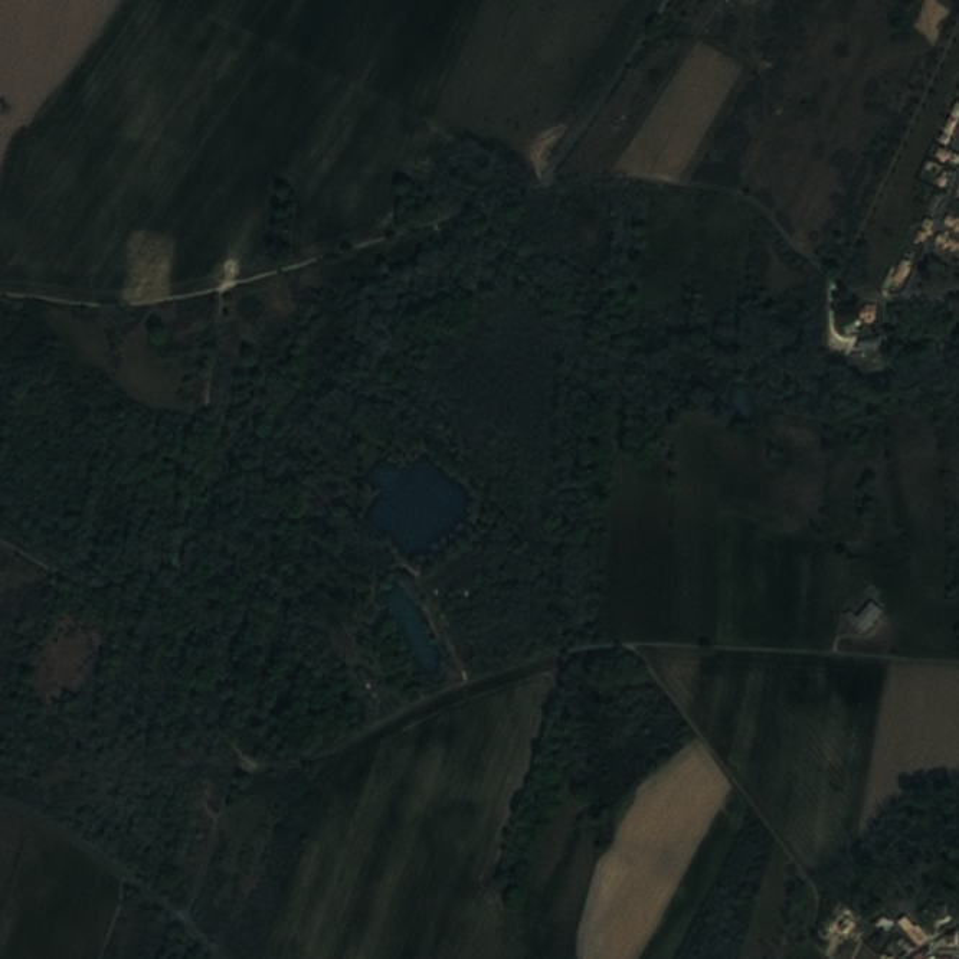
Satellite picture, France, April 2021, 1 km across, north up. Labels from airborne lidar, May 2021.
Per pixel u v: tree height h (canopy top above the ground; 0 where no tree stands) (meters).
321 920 0
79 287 0
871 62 0
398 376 21
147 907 7
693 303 12
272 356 7
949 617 0
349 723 12
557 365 20
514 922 0
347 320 10
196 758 17
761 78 0
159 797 13
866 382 23
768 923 0
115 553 20
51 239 0
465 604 7
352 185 0
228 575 15
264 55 0
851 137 0
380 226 0
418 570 12
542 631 17
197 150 0
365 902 0
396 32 0
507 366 15
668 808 0
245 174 0
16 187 0
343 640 17
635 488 0
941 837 16
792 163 0
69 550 22
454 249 22
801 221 0
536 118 0
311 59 0
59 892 0
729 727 0
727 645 0
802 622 0
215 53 0
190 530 12
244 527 29
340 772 0
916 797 22
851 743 0
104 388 8
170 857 9
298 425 18
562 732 17
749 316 17
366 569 20
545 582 19
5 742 10
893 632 0
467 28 0
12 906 0
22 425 11
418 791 0
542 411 20
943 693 0
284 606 8
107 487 7
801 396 14
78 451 11
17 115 0
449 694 0
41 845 0
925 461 0
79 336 0
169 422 11
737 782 0
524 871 15
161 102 0
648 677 7
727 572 0
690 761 0
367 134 0
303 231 0
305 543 18
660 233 0
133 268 0
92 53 0
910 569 0
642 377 19
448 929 0
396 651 14
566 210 19
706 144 0
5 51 0
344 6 0
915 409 19
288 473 14
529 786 11
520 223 16
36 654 10
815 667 0
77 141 0
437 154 0
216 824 0
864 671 0
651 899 0
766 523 0
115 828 9
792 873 11
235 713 17
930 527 0
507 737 0
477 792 0
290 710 21
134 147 0
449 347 20
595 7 0
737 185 0
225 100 0
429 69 0
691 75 0
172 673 19
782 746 0
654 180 0
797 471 0
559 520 21
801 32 0
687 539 0
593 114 0
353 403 17
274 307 0
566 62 0
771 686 0
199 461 16
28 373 10
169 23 0
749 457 0
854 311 14
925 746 0
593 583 13
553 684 0
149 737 14
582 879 0
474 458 17
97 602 17
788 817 0
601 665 19
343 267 0
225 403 7
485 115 0
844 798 0
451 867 0
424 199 10
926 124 0
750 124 0
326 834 0
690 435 0
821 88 0
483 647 13
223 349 9
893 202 0
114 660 18
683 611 0
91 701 13
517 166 14
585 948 0
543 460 18
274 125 0
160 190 0
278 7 0
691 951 10
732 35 0
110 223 0
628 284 19
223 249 0
